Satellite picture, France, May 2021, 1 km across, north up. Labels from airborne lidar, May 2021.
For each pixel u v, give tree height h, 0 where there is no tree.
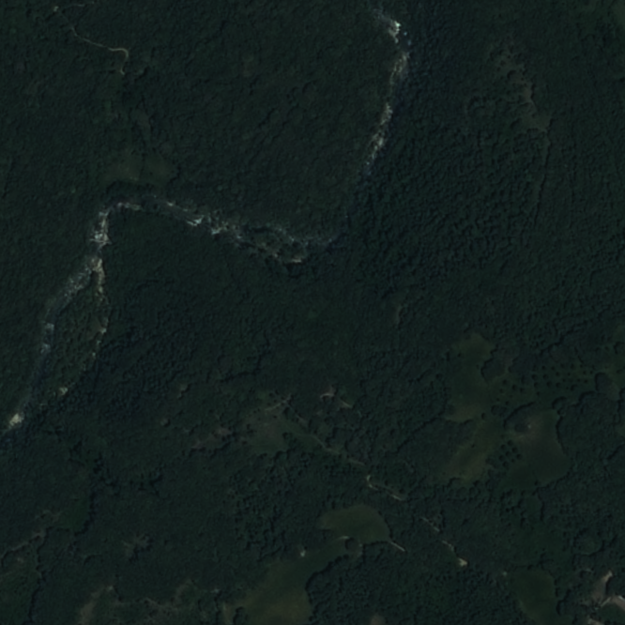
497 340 10
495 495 12
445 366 15
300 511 15
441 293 15
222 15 7
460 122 12
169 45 9
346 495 16
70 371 10
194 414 18
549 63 19
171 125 10
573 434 9
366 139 9
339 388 11
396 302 14
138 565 20
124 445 14
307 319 13
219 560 15
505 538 19
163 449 14
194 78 12
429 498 10
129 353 18
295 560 14
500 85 6
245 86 6
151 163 0
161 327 12
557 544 0
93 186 13
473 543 18
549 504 14
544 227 12
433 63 8
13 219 10
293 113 11
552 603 0
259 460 18
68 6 12
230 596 12
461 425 10
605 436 10
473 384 0
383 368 14
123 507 21
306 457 19
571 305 15
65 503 13
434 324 14
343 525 0
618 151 14
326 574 17
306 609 0
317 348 17
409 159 6
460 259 13
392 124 15
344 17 17
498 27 13
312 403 16
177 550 18
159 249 17
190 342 12
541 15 14
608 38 18
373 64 12
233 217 18
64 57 15
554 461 0
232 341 15
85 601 16
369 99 15
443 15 7
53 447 17
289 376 18
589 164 12
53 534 15
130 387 11
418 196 11
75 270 11
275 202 6
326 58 18
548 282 13
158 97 15
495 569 16
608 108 10
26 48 7
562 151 7
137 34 7
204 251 17
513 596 11
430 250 13
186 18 10
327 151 18
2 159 11
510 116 15
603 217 11
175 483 16
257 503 13
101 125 13
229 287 16
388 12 13
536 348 16
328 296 19
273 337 15
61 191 13
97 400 21
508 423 14
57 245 14
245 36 12
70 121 11
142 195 15
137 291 12
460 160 7
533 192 12
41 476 16
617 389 11
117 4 8
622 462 17
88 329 6
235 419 11
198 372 10
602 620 16
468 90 12
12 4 12
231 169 14
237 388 19
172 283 13
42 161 11
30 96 6
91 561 16
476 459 0
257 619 0
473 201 11
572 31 14
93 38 6
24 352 16
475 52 12
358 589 13
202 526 16
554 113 10
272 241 13
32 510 15
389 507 14
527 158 10
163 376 10
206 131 12
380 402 14
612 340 15
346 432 14
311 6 9
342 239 16
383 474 7
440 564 12
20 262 12
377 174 11
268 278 17
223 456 20
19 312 15
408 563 14
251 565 13
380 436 13
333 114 8
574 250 11
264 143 12
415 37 8
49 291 10
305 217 10
